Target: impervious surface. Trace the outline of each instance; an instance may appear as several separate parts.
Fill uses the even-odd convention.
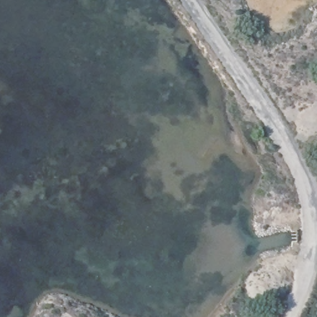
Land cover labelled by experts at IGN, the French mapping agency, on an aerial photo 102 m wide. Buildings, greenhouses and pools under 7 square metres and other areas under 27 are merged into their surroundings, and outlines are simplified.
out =
[[[225,36],[207,10],[208,0],[187,0],[191,1],[194,9],[198,11],[198,26],[202,35],[222,59],[246,100],[254,106],[256,116],[272,130],[271,139],[280,146],[281,154],[284,155],[295,178],[301,208],[301,229],[291,233],[292,241],[301,241],[300,253],[310,259],[300,261],[300,265],[293,270],[292,287],[295,306],[285,317],[301,317],[317,279],[317,222],[316,209],[311,204],[310,183],[296,151],[293,150],[287,135],[289,131],[276,113],[274,105],[267,99],[264,90],[260,89],[250,69],[235,53],[234,47]]]

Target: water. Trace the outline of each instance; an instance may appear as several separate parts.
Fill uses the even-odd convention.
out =
[[[269,17],[270,27],[276,32],[284,32],[289,25],[292,12],[297,7],[306,5],[308,0],[246,0],[249,9]]]
[[[32,317],[30,313],[36,311],[36,301],[54,293],[67,296],[68,306],[71,308],[93,306],[93,312],[97,317],[208,317],[209,313],[218,312],[217,305],[224,300],[224,293],[233,291],[239,276],[245,272],[246,267],[256,263],[260,254],[285,249],[292,241],[291,233],[272,233],[264,237],[255,234],[251,208],[253,192],[260,177],[260,170],[245,147],[234,145],[233,126],[230,125],[225,113],[222,83],[204,58],[202,51],[194,45],[189,32],[173,14],[166,0],[0,0],[0,317]]]

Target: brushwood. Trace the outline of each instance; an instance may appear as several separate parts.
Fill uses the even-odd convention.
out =
[[[233,311],[230,311],[233,317],[285,317],[295,306],[292,287],[267,290],[255,297],[248,296],[246,289],[240,289],[237,296],[233,297]]]
[[[301,317],[317,317],[317,279]]]
[[[317,135],[308,137],[307,141],[301,141],[297,135],[292,136],[289,131],[287,135],[293,150],[296,151],[300,150],[306,166],[317,178]]]
[[[235,0],[235,4],[240,5],[241,9],[237,10],[239,21],[234,27],[248,38],[246,42],[249,45],[260,42],[261,46],[271,48],[291,40],[292,37],[300,38],[303,32],[311,35],[317,28],[317,0],[308,0],[306,5],[297,7],[292,12],[289,25],[284,32],[276,32],[270,27],[269,17],[249,9],[246,0]]]
[[[225,26],[223,16],[211,5],[211,0],[208,0],[207,10],[225,36],[229,35],[228,27]]]
[[[36,301],[36,311],[30,313],[32,317],[97,317],[93,312],[93,306],[71,308],[68,306],[67,296],[54,293]]]
[[[202,35],[198,26],[198,11],[194,9],[191,1],[187,0],[166,0],[173,14],[189,32],[194,45],[202,51],[204,58],[222,83],[225,113],[230,125],[233,126],[234,145],[245,147],[260,170],[260,177],[253,192],[267,198],[271,197],[270,191],[277,194],[286,193],[286,203],[301,208],[295,178],[284,155],[281,154],[280,146],[271,139],[272,130],[256,116],[254,106],[246,100],[222,59]]]

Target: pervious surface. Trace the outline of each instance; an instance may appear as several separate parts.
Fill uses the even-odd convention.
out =
[[[301,208],[286,203],[286,193],[277,194],[270,191],[271,197],[267,198],[253,192],[251,208],[255,234],[264,237],[272,233],[291,233],[301,229]]]
[[[297,135],[301,141],[307,141],[308,137],[317,135],[317,84],[305,84],[305,80],[301,80],[298,94],[306,97],[307,92],[313,93],[315,103],[297,100],[295,108],[287,108],[284,111],[286,118],[296,124]]]
[[[246,267],[245,272],[239,276],[233,291],[224,293],[224,300],[217,305],[218,312],[209,313],[208,317],[233,317],[230,311],[233,311],[233,297],[237,296],[240,289],[246,289],[248,296],[255,297],[267,290],[292,287],[293,270],[300,265],[300,261],[310,259],[300,253],[301,241],[292,241],[285,249],[260,254],[256,263]]]
[[[311,204],[316,209],[317,222],[317,178],[306,166],[300,150],[296,151],[310,183]]]

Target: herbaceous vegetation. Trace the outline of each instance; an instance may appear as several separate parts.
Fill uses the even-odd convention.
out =
[[[276,113],[289,131],[292,136],[297,135],[296,124],[286,118],[284,111],[287,108],[295,108],[297,100],[315,103],[313,93],[307,92],[306,97],[298,94],[301,80],[305,80],[305,84],[317,84],[317,28],[311,35],[303,32],[300,38],[292,37],[291,40],[271,48],[261,46],[260,42],[249,45],[246,42],[248,38],[234,27],[239,21],[237,10],[241,9],[240,5],[235,4],[235,0],[211,0],[211,5],[223,16],[225,26],[228,27],[229,35],[225,36],[234,47],[235,53],[250,69],[260,89],[264,90],[267,99],[274,105]]]

